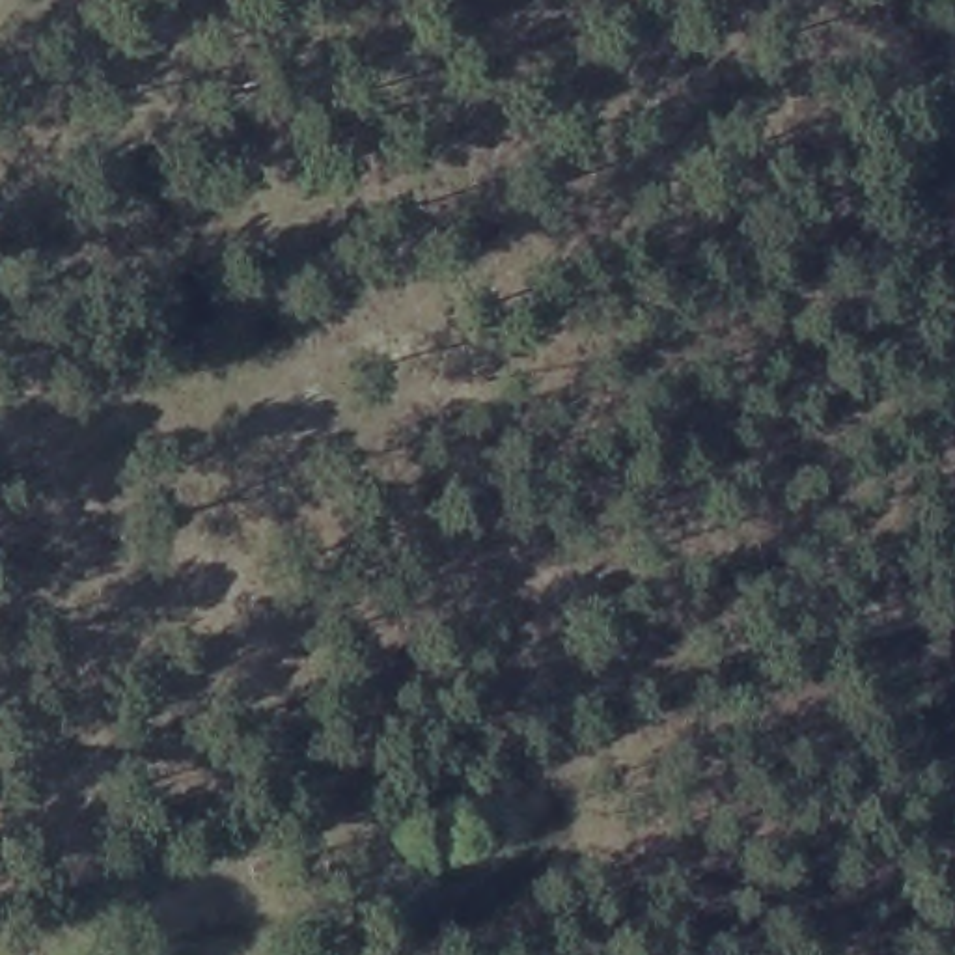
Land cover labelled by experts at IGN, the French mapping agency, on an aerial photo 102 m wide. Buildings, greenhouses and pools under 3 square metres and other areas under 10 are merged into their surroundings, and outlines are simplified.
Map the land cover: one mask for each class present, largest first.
<instances>
[{"label":"herbaceous vegetation","instance_id":"1","mask_svg":"<svg viewBox=\"0 0 955 955\"><path fill-rule=\"evenodd\" d=\"M90 0H0V78H4V101L11 104V112H15V127H19V149H15V153H0V250H7L11 257L37 254L48 265L30 284L37 306H52L71 280H86L90 272H104L108 287L149 280V306L168 317V354L183 373L168 388H153V381L142 373L138 392L119 384L104 407L90 414H67L52 403L48 343L26 339L15 325L11 302L0 295V705L7 701L30 735L34 754L19 757V765L37 783L34 810H15L0 795V851L4 839L45 836V862L56 873H63L67 895L90 918L112 907L145 903L164 929V955H261V929L291 914L310 918V933L321 940L317 955H369L366 914L381 899L395 907V921L403 929L395 955H560L537 884L545 873H567L578 865L601 869L619 899V918L612 921H601L593 907H574L582 936L612 940L627 929H638L645 940L642 955H776L768 948V921L780 907H791L806 921V929L821 936L817 955H907L899 948V936L918 910L903 892V865L884 854V847H877L865 854L862 884H839V851L851 828L839 824L836 813V765H854V791L884 806L899 836L929 839L933 869L955 877V630L929 634L918 619L907 548L918 545V526H907V511L918 500V481L907 470L895 440L884 429H873V444L888 485L884 507L873 511L854 492L843 433L858 429L862 422L880 425L888 414H899L888 392L873 414L851 392H839L824 407L821 425L810 433L791 418H768L761 429V444L739 440L742 403L754 384L765 381L772 354L791 358V373L780 384V395L802 399L810 384H817L828 373V354L791 328H761L757 317L731 310L727 295L720 291L701 257L709 242H716L727 254L735 280L750 295L765 298V276L742 228L727 224L724 216H705L694 209L690 216H664L653 228L649 257L671 284L690 287L698 295L701 325L694 332H683L664 313L653 325V336L634 343L627 354L630 369H638L642 377H660V384L671 392V403L653 418L660 429V481L649 489L645 500V515L649 526L660 533L664 560V574L657 578L653 593L657 616L645 619L638 612H627L616 623L619 649L601 668H586L563 645V638L567 604H582L589 597H619L630 589V571L619 563V526L608 519V507L623 496L627 478L593 459L586 448L593 429L604 418H616L627 407V399L616 395L604 381L586 384V369L601 354H612L616 343L601 332H593V339H582L574 325L586 302H597V287L578 269V250L589 242V250L601 257L612 291L619 295L616 325H627L638 310L642 291L630 284L627 254L616 246L619 220L630 216L642 187L675 179L679 164L690 153L709 145L713 123L720 116L735 108L746 112L761 134V145L776 157L783 149H795L810 187L828 205V220L806 228L795 242V280L787 287L783 306H798L806 313L817 287L832 272V261L839 254L854 257L862 280L851 295L839 298L836 325L858 347H892L899 369L921 373L925 381H948L955 403V343L944 358L929 354V347L918 336L925 306L921 298L903 306L899 321H865V310L877 302L880 272L892 265L888 239L862 220V187L839 183L828 172L832 157H862L858 142L843 131L839 116L810 93V78L828 63L839 78H858V41L877 37L888 56V71L877 90L899 97L903 90L921 86L933 75H951L955 82V0H709V11L720 30V45L713 52H683L675 45V30L664 19L649 15L634 26L630 60L608 67L578 52L582 19L571 11L567 0H451L455 30L478 37V45L489 56L492 78H515L522 63L548 60V97L563 112L574 104H604L601 116L612 123H619V116L634 119L653 112L660 123V138L645 153H627L612 164L593 160L586 168L563 157L552 183L567 198V213L560 228H545L533 213L511 205L507 175L522 168L526 153L545 149L548 138L530 134L526 127H511L504 112L489 101L451 97L444 60L436 52L414 48V34L403 19V0H332L325 26L317 34L306 30L295 41V56L284 67L287 82L321 101L336 86V41H351L358 48V60L373 67V97L388 101L407 119L429 112L433 131L425 172L388 175V160L381 153L384 127L373 116L358 112L339 116L332 123V142L354 153V164L366 175L358 201L347 198V205L328 209L321 198H310L306 205L298 201L302 164L291 127L280 116L257 119L261 82L254 71V26H246L231 11V0H153L142 15V22L149 26L145 52L131 60L116 52L86 22L82 11ZM768 4H776L787 22L791 63L780 78H761L754 67L739 63L742 41ZM209 19H216L228 34V60L194 63L183 56V41ZM52 34H63L75 45L71 71L63 78L37 75V48ZM104 82L123 93L134 123V131L123 142V160L108 172L112 190H131L138 198L134 213L127 216V228L75 224L67 201H60L56 194V179L48 175V164L63 149L71 101L86 90H101ZM194 86H224L231 97V127L224 131V153L246 164V216L194 209L190 201L172 198L164 187L160 145L172 138L183 101H190ZM395 198H403L407 205L403 235L384 242V257L395 269V291L358 295V280L343 269L336 242L354 231L369 201ZM433 231L463 235V257L470 265L440 280H414L422 246ZM242 246L265 276L254 298H239L224 280L228 250ZM552 261H560L567 295L537 313L545 343L533 354L474 347L459 328V306H485L500 321L511 317L515 302H522L533 313V284ZM302 269H317L328 280V313H287V287ZM351 343L395 362V392L373 414H351L336 403V369ZM698 351H713L716 362L727 369V395H709L701 388L694 373ZM511 433L526 436L541 455L574 466L578 511L597 533V560L589 571H571L563 563V556L556 552L552 526H533L519 533L511 530L504 492L492 470V451ZM138 440L175 444L179 455L190 463L168 496L179 526L168 556L175 563L172 574L134 571L123 560V466ZM694 440L705 444L709 463L720 478H731L739 463H750L765 474L761 489H754L742 500L739 530L705 519L709 492L686 478V448ZM317 444L343 448L358 463V478L384 492L381 541L373 552H366L351 537V519L310 489L306 459ZM810 466L828 474V492L813 496L802 507H791L787 489L795 474ZM459 481L478 511V522L466 533L444 530L429 515L444 489ZM836 511H847L873 537L880 552L877 574H869L854 560L847 541L828 530L824 519ZM298 515L313 522L325 545L317 563L302 567V574H313L306 601L276 604L254 563V541L269 522L295 526ZM410 545L425 556L429 586L410 593L407 612H377L369 604V593L362 601H343V619L354 627V638L369 664V679L358 683L351 694L358 761H325L313 754L317 716L310 709L321 698V675L306 657V634L321 623V604L328 601L332 578L339 571H358L366 582H384V574L399 563V556ZM694 548L716 560L713 582L705 589H690L686 582V563ZM761 574H772L791 589V604L776 616L783 630L798 627L802 616H817V638L802 653V690H787L783 683L765 675L761 657L750 649L746 630L731 612L739 582ZM858 601L865 627L858 660L877 683L903 761L895 787L880 780L877 761L851 735L847 720L832 709L828 694V668L839 645V619L854 612ZM34 616L56 623V664L26 660V627ZM429 619H444L455 630V664L466 675L463 683L481 694V713L451 731L455 750L478 761L489 742H500L504 750L500 776L489 791L470 787L459 776H440L429 787L433 824L440 873H422L407 865V858L395 851V836L381 824L373 810V791L381 783L377 742L407 683L422 690L451 686L440 668L418 664L410 657L422 623ZM698 627L713 630V645L724 653V660H686L683 642ZM164 638H194L201 645V660L198 671H172L160 686H153L149 657L160 653ZM119 664H131L153 694L160 690L172 701L160 713L153 705L145 709L142 742H119L112 727L116 705L108 701L104 686ZM220 675L239 683V727L257 739H269L272 746V757L265 765L272 802L287 810L295 787H310L313 813L306 824V873L321 880L347 873L354 884V895L347 903H306L298 895L272 899L265 888L269 862L254 824L213 828L205 836L209 865L201 877L172 873L168 854L153 843L131 873L104 869L108 806L93 798V787L116 765H142L138 772L149 795L164 802L168 813L190 824L209 806L231 798L235 772L213 765L205 750L187 742V724L209 713L213 686ZM698 683H727L754 690L761 705L754 750L787 795L780 821H768L754 806V798L735 787V765H720L716 746L731 739L735 724H701L694 716L690 698ZM578 698L601 701L608 716V727L589 746H582L574 731ZM519 716H541L552 727L548 754H530L526 739L515 727ZM679 739L698 750V776L686 787L694 824L690 836H671L668 813H660L649 836L634 839L623 817L608 810L601 798H578L571 765L574 757L589 761L597 750L612 746L619 761V768L612 772L616 791H627L642 802V791L660 783V768L645 757L675 746ZM929 765H940L948 780L929 810V821H914L907 813V802L914 798L921 772ZM716 802L739 817V836L724 851L709 843V817ZM455 806L474 810L492 832V854H485L481 862L459 865L451 858ZM754 843L776 847L780 858H806V877L795 888L750 877L742 869V858ZM668 865L690 869V895L660 929L649 914L645 884ZM910 160V235L918 239V261L929 269H944L955 284V201L936 187L948 168V157L936 138H914L903 153ZM910 429H918L925 444L936 451L944 507L948 522L955 526V425L940 422L933 410L910 414Z\"/></svg>","mask_w":955,"mask_h":955},{"label":"coniferous trees","instance_id":"2","mask_svg":"<svg viewBox=\"0 0 955 955\"><path fill-rule=\"evenodd\" d=\"M153 0H90L82 11L86 22L116 52L131 60L145 52L149 26L142 22V15ZM332 0H231V11L246 26H254V71L261 82L257 119L280 116L291 127L302 164L298 201L306 205L310 198H321L328 209L347 205V198L358 201L366 175L354 164V153L332 142V123L339 116L358 112L373 116L384 127L381 153L388 160V175L425 172L433 131L429 112L407 119L388 101L373 97V67L358 60V48L351 41H336V86L321 101L287 82L284 67L295 56V41L306 30L317 34L325 26ZM403 19L414 34V48L436 52L444 60L451 97L489 101L504 112L511 127H526L530 134L548 138L545 149L526 153L522 168L507 175L511 205L533 213L545 228H560L567 213V198L552 183L563 157L586 168L593 160L612 164L627 153H645L660 138V123L653 112L634 119L619 116V123H612L601 116L604 104H574L563 112L548 97V60L522 63L515 78H492L489 56L478 45V37L455 30L451 0H403ZM571 11L582 19L578 52L608 67L630 60L634 26L649 15L664 19L675 30V45L683 52H713L720 45V30L709 11V0H567ZM739 63L754 67L761 78H780L791 63L787 22L776 4H768L742 41ZM183 56L194 63L228 60V34L216 19H209L183 41ZM75 45L63 34H52L37 48V75L63 78L71 71ZM888 71V56L877 37L858 41V78H839L828 63L810 78V93L839 116L843 131L858 142L862 157H832L828 172L839 183L862 187V220L888 239L892 265L880 272L877 302L865 310V321H899L903 306L921 298L925 306L918 336L929 347V354L944 358L955 343V284L944 269H929L918 261V239L910 235V160L903 153L914 138H936V127H948L955 119V82L951 75H933L921 86L903 90L899 97L877 90ZM15 149H19V127H15V112H11V104L4 101V78H0V153H15ZM134 131V123L123 93L104 82L101 90H86L71 101L63 149L48 164V175L56 179V194L60 201H67L75 224L127 228V216L134 213L138 198L131 190H112L108 172L123 160V142ZM231 127V97L224 86H194L190 101H183L172 138L160 145L164 187L172 198L190 201L194 209L246 216V164L224 153V131ZM694 209L705 216H724L727 224L742 228L765 276V298L750 295L735 280L727 254L716 242H709L701 257L720 291L727 295L731 310L757 317L761 328H791L828 354V373L817 384H810L802 399L780 395V384L791 373V358L772 354L765 381L754 384L742 403L739 440L761 444V429L768 418H791L810 433L821 425L824 407L839 392H851L873 414L888 392L899 414H888L880 425L862 422L858 429L843 433L854 492L873 511L884 507L888 485L873 444V429H884L895 440L907 470L918 481V500L907 511V526H918V545L907 548L918 619L929 634L955 630V526L948 522L944 507L936 451L925 444L918 429H910V414L933 410L940 422L955 425V403L948 381H925L921 373L899 369L892 347H858L836 325L839 298L851 295L862 280L854 257L839 254L832 261V272L817 287L806 313L798 306H783L787 287L795 280V242L806 228L828 220V205L810 187L795 149H783L776 157L761 145V134L746 112L735 108L720 116L713 123L709 145L690 153L679 164L675 179L642 187L630 216L619 220L616 246L627 254L630 284L642 291L638 310L627 325H616L619 295L612 291L601 257L589 250V242L578 250V269L597 287V302H586L574 325L582 339H593V332H601L616 343L612 354H601L586 369V384L604 381L616 395L627 399V407L616 418H604L593 429L586 448L593 459L627 478L623 496L608 507V519L619 526V563L630 571V589L619 597H589L582 604H567L563 638V645L586 668H601L619 649L616 623L627 612H638L645 619L657 616L653 593L657 578L664 574V560L660 533L649 526L645 515V500L649 489L660 481V429L653 418L671 403V392L660 384V377H642L638 369H630L627 354L634 343L653 336V325L664 313L683 332H694L701 325L698 295L690 287L671 284L649 257L653 228L664 216H690ZM407 205L403 198H395L369 201L354 231L336 242L343 269L358 280V295L395 291V269L384 257V242L403 235ZM470 265L463 257V235L433 231L422 246L414 280H440ZM224 280L239 298H254L265 276L242 246L228 250ZM48 265L37 254L11 257L7 250H0V295L11 302L15 325L26 339L48 343L52 403L67 414H90L104 407L119 384L138 392L142 373L153 381V388H168L183 373L168 354V317L149 306V280L108 287L104 272H90L86 280H71L52 306H37L30 284ZM533 313L522 302H515L511 317L500 321L485 306H459V328L474 347L533 354L545 343L537 313L567 295L560 261H552L533 284ZM328 280L317 269H302L287 287V313H328ZM336 403L351 414H373L395 392V362L351 343L336 369ZM694 373L701 388L709 395H727V369L716 362L713 351H698ZM492 470L504 492L511 530L519 533L533 526H552L556 552L563 556V563L571 571H589L597 560V533L578 511L574 466L541 455L526 436L511 433L492 451ZM190 463L179 455L175 444L138 440L123 466V560L134 571L172 574L175 563L168 556L179 526L168 496ZM686 478L709 492L705 519L739 530L742 500L754 489H761L765 474L750 463H739L731 478H720L709 463L705 444L694 440L686 448ZM310 489L351 519V537L366 552H373L381 541L384 492L358 478V463L343 448L317 444L306 459ZM828 492V474L810 466L795 474L787 489L791 507H802L813 496ZM429 515L444 530L466 533L478 522V511L459 481L444 489ZM828 530L847 541L854 560L869 574H877L880 552L873 537L847 511H836L824 519ZM325 545L313 522L298 515L295 526L269 522L254 541V563L276 604L306 601L313 574H302V567L317 563ZM429 586L425 556L410 545L399 556V563L384 574V582H366L358 571H339L332 578L328 601L321 604V623L306 634V657L321 675V698L310 709L317 716L313 754L325 761H358L351 694L358 683L369 679V664L354 638V627L343 619V601H362L369 593V604L377 612H407L410 593ZM716 560L694 548L686 563V582L690 589H705L713 582ZM791 604V589L772 574H761L739 582L731 612L746 630L750 649L761 657L765 675L783 683L787 690H802V653L817 638V616H802L798 627L783 630L776 616ZM865 627L858 601L854 612L839 619V645L828 668V694L832 709L847 720L851 735L877 761L880 780L895 787L903 761L877 683L858 660ZM26 660L56 664V623L34 616L26 627ZM410 657L418 664L440 668L451 686L422 690L407 683L377 742L381 783L373 791V810L381 824L395 836L410 817H425L433 824L429 787L440 776H459L470 787L489 791L500 776L504 750L500 742H489L478 761L455 750L451 731L481 713V694L463 683L466 675L455 664V630L444 619H429L422 623ZM686 660H724V653L713 645V630L698 627L683 642ZM201 660V645L194 638H164L160 653L149 657L153 686H160L172 671H198ZM108 701L116 705L112 727L119 742H142L145 709L153 705L160 713L172 701L160 690L153 694L131 664H119L104 686ZM239 683L220 675L213 686L209 713L187 724V742L205 750L213 765L235 772L231 798L209 806L190 824L168 813L164 802L149 795L138 772L142 765H116L93 787V798L108 806L104 869L131 873L153 843L168 854L172 873L201 877L209 865L205 836L213 828L254 824L269 862L265 888L272 899L298 895L306 903H347L354 895V884L347 873L321 880L306 873V824L313 813L310 787H295L287 810L272 802L265 765L272 757V746L269 739H257L239 727ZM694 716L701 724H735L731 739L716 746L720 765H735V787L754 798V806L768 821H780L787 795L754 750L761 705L754 690L727 683H698L690 698ZM608 727V716L601 701L578 698L574 731L582 746H589ZM34 754L30 735L7 701L0 705V795L15 810H34L37 783L19 765V757ZM515 727L526 739L530 754H548L552 727L541 716H519ZM660 768V783L642 791V802L627 791H616L612 772L619 768V761L612 746L597 750L589 761L574 757L571 765L578 798H601L608 810L623 817L634 839L649 836L660 813H668L671 836H690L694 824L686 787L698 776V750L679 739L675 746L645 757ZM854 765H836V813L839 824L851 828L839 851V884H862L865 854L877 847H884V854L903 865V892L918 910L899 936V948L907 955H955V877L933 869L929 839L899 836L884 806L854 791ZM948 780L940 765H929L921 772L914 798L907 802V813L914 821H929V810ZM709 843L724 851L739 836V817L716 802L709 817ZM90 918L67 895L63 873H56L45 862V836L4 839L0 851V955H52L48 936L56 929L86 925ZM742 869L750 877L795 888L806 877V858H780L776 847L754 843L742 858ZM560 955H642L645 940L638 929H627L612 940L582 936L574 907H593L601 921H612L619 918V899L601 869L578 865L567 873H545L537 884ZM690 895V869L668 865L645 884L649 914L660 929ZM403 929L395 921V907L381 899L366 914L369 955H395ZM768 948L776 955H817L821 936L806 929V921L791 907H780L768 921ZM261 955H317L321 940L310 933V918L291 914L261 929Z\"/></svg>","mask_w":955,"mask_h":955},{"label":"deciduous trees","instance_id":"3","mask_svg":"<svg viewBox=\"0 0 955 955\"><path fill-rule=\"evenodd\" d=\"M485 854H492V832L474 810L455 806L451 858L459 865L481 862ZM395 851L407 858V865L422 873H440L433 824L425 817H410L395 836ZM52 955H164V929L145 903L112 907L90 918L86 925L56 929L48 936Z\"/></svg>","mask_w":955,"mask_h":955},{"label":"bare soil","instance_id":"4","mask_svg":"<svg viewBox=\"0 0 955 955\"><path fill-rule=\"evenodd\" d=\"M948 157V168L936 187L955 201V119L948 127H936V138Z\"/></svg>","mask_w":955,"mask_h":955}]
</instances>
